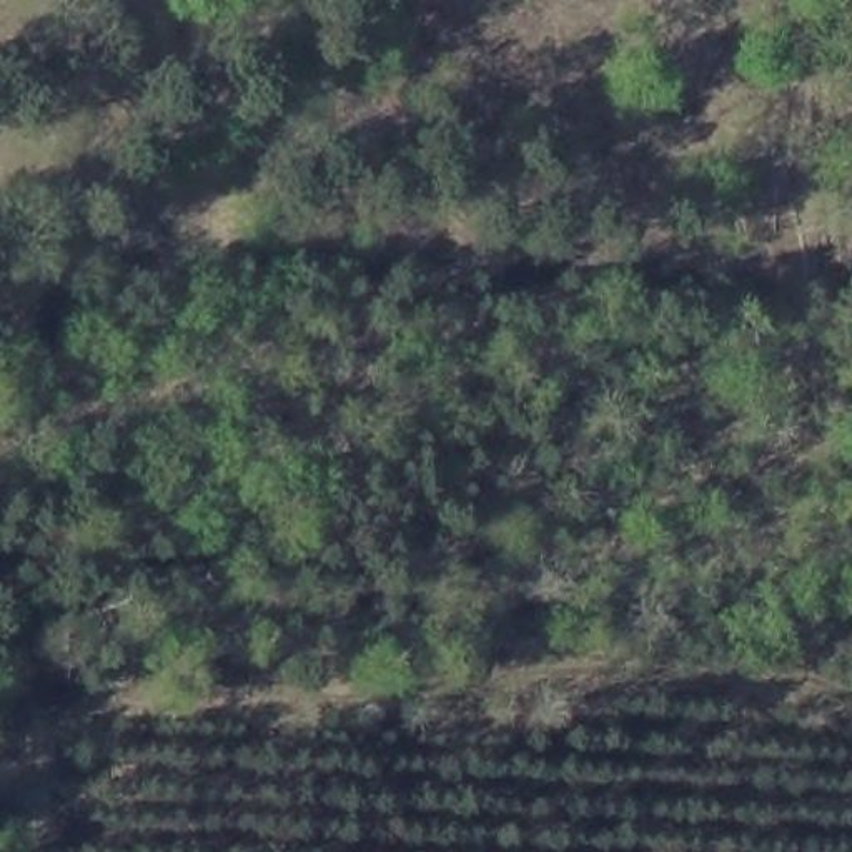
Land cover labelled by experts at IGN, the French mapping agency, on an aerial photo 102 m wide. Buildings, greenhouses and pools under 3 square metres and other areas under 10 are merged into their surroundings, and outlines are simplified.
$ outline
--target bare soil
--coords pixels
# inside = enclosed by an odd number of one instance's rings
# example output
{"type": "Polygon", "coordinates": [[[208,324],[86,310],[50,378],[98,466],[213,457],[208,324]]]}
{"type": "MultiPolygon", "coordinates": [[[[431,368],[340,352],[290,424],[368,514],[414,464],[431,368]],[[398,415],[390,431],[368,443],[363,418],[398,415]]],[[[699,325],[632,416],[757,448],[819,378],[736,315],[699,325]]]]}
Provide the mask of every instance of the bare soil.
{"type": "Polygon", "coordinates": [[[100,822],[93,819],[93,799],[90,782],[83,779],[77,762],[77,746],[83,742],[77,736],[80,716],[90,712],[100,719],[113,706],[126,716],[150,712],[140,702],[140,679],[107,679],[100,692],[90,692],[77,666],[53,662],[33,682],[17,679],[13,689],[0,689],[0,809],[13,822],[30,822],[40,832],[30,852],[83,852],[83,845],[97,845],[103,839],[107,825],[100,822]]]}
{"type": "Polygon", "coordinates": [[[276,686],[263,689],[220,689],[213,682],[213,702],[200,709],[210,722],[243,722],[246,729],[256,746],[266,746],[266,736],[276,722],[300,729],[320,722],[323,702],[343,706],[343,719],[366,722],[386,742],[396,742],[413,729],[413,722],[426,719],[436,719],[439,726],[456,726],[459,719],[489,716],[496,722],[529,726],[542,692],[559,692],[569,706],[576,699],[586,699],[599,712],[606,712],[602,699],[616,699],[666,692],[669,699],[736,702],[775,706],[782,722],[795,722],[805,729],[822,729],[835,716],[852,716],[852,692],[835,692],[822,676],[822,666],[775,666],[762,679],[749,679],[742,672],[679,676],[676,669],[659,662],[646,669],[609,669],[602,662],[602,649],[596,642],[586,642],[576,642],[579,656],[569,659],[542,656],[533,666],[496,666],[493,679],[469,686],[453,689],[439,669],[416,676],[413,689],[399,696],[369,699],[359,699],[349,679],[310,692],[300,686],[286,686],[280,679],[276,686]]]}

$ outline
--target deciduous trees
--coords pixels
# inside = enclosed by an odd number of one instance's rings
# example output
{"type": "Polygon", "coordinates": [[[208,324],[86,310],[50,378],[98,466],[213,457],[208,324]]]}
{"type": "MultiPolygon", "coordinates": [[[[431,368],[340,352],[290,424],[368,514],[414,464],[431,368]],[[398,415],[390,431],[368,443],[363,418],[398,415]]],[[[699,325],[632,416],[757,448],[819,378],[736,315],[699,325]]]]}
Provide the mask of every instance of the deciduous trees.
{"type": "Polygon", "coordinates": [[[752,37],[755,30],[775,33],[779,27],[772,10],[785,7],[789,0],[746,0],[742,37],[752,37]]]}
{"type": "Polygon", "coordinates": [[[413,689],[416,676],[396,642],[366,646],[363,649],[349,669],[349,679],[359,699],[369,699],[399,696],[413,689]]]}
{"type": "Polygon", "coordinates": [[[263,666],[280,642],[280,629],[263,616],[263,606],[290,606],[290,589],[280,589],[266,579],[266,566],[253,549],[240,549],[226,566],[230,592],[223,596],[223,606],[240,606],[243,616],[253,622],[250,656],[256,666],[263,666]]]}
{"type": "Polygon", "coordinates": [[[213,240],[226,246],[233,240],[243,240],[236,233],[236,203],[230,196],[220,196],[206,206],[213,240]]]}
{"type": "Polygon", "coordinates": [[[10,176],[7,183],[0,183],[0,270],[13,273],[17,283],[47,276],[73,293],[73,283],[87,263],[63,250],[67,236],[83,233],[90,226],[90,190],[70,166],[47,166],[40,186],[17,186],[10,176]]]}
{"type": "Polygon", "coordinates": [[[706,107],[716,133],[689,146],[692,156],[726,150],[739,153],[749,143],[772,90],[755,87],[736,70],[706,107]]]}
{"type": "Polygon", "coordinates": [[[852,90],[852,73],[839,67],[809,77],[815,90],[812,100],[819,103],[839,107],[842,97],[852,90]]]}
{"type": "Polygon", "coordinates": [[[596,642],[602,649],[602,662],[609,669],[646,669],[642,659],[629,649],[622,632],[609,626],[592,622],[586,642],[596,642]]]}
{"type": "Polygon", "coordinates": [[[190,629],[176,639],[166,622],[173,612],[186,606],[186,599],[176,589],[156,596],[153,586],[133,589],[126,582],[123,592],[113,599],[113,609],[120,616],[110,642],[123,649],[130,646],[130,639],[143,642],[146,669],[140,679],[140,702],[150,712],[156,719],[180,719],[200,709],[213,702],[213,682],[213,632],[190,629]]]}
{"type": "Polygon", "coordinates": [[[107,509],[103,503],[83,523],[67,526],[70,542],[77,542],[80,549],[100,549],[116,546],[123,536],[120,513],[107,509]]]}
{"type": "Polygon", "coordinates": [[[50,459],[63,433],[47,419],[43,409],[30,403],[30,396],[43,386],[40,369],[50,363],[50,356],[27,333],[0,323],[0,456],[23,456],[37,469],[50,469],[50,459]]]}
{"type": "Polygon", "coordinates": [[[243,20],[263,0],[170,0],[170,10],[193,23],[223,23],[230,13],[243,20]]]}
{"type": "Polygon", "coordinates": [[[429,649],[436,652],[439,669],[453,689],[469,686],[469,659],[463,652],[463,642],[446,639],[446,622],[453,616],[469,619],[473,626],[486,619],[486,592],[476,589],[479,572],[469,562],[449,562],[449,572],[436,579],[436,589],[426,599],[429,616],[423,632],[429,649]]]}
{"type": "Polygon", "coordinates": [[[669,57],[659,53],[662,17],[652,10],[652,0],[616,0],[616,53],[606,60],[606,87],[609,97],[629,110],[676,110],[686,90],[682,73],[672,67],[669,57]]]}
{"type": "Polygon", "coordinates": [[[529,509],[513,509],[506,519],[496,523],[493,542],[499,542],[519,562],[526,562],[536,552],[536,516],[529,509]]]}
{"type": "Polygon", "coordinates": [[[736,226],[722,223],[709,246],[742,253],[752,233],[749,220],[742,216],[736,226]]]}
{"type": "Polygon", "coordinates": [[[829,243],[839,263],[852,260],[852,183],[815,176],[815,186],[789,230],[795,233],[795,243],[802,250],[829,243]]]}
{"type": "Polygon", "coordinates": [[[542,692],[529,726],[562,726],[569,719],[569,706],[559,692],[542,692]]]}
{"type": "Polygon", "coordinates": [[[77,646],[70,642],[70,632],[57,626],[50,626],[47,652],[53,662],[77,666],[77,646]]]}

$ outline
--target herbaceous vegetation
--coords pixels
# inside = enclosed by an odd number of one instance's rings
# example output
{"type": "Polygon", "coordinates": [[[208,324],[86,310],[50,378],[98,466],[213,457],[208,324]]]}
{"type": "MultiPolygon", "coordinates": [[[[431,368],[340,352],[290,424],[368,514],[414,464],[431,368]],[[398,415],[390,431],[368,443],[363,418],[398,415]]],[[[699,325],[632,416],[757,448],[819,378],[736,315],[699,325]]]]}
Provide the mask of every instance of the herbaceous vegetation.
{"type": "Polygon", "coordinates": [[[196,386],[163,383],[150,369],[136,373],[126,383],[123,396],[113,403],[97,396],[60,409],[43,386],[30,396],[30,403],[43,409],[47,419],[63,433],[80,423],[103,423],[107,429],[113,429],[113,469],[116,476],[130,476],[130,463],[136,459],[136,433],[160,423],[160,409],[153,403],[180,399],[196,423],[206,426],[216,419],[216,406],[196,393],[196,386]]]}
{"type": "Polygon", "coordinates": [[[0,0],[0,43],[20,37],[27,20],[57,13],[57,0],[0,0]]]}
{"type": "Polygon", "coordinates": [[[47,276],[17,283],[13,273],[0,270],[0,323],[27,333],[50,356],[67,343],[67,326],[77,316],[73,293],[47,276]]]}
{"type": "Polygon", "coordinates": [[[403,13],[389,27],[359,23],[356,40],[366,50],[403,50],[406,67],[419,80],[436,70],[443,53],[459,57],[466,87],[459,90],[456,103],[459,113],[476,126],[476,150],[466,160],[466,186],[479,196],[506,193],[513,220],[529,223],[536,230],[546,206],[572,203],[576,213],[589,216],[599,203],[616,203],[622,220],[629,220],[632,226],[646,226],[659,220],[666,210],[672,210],[672,203],[692,203],[702,213],[699,240],[689,246],[676,243],[646,250],[636,263],[636,276],[642,280],[642,286],[659,293],[679,293],[682,286],[702,286],[709,276],[729,273],[732,280],[746,280],[746,286],[755,293],[755,300],[769,310],[772,320],[789,323],[799,323],[809,313],[812,286],[842,293],[852,283],[852,260],[839,263],[829,243],[802,250],[795,243],[795,233],[789,230],[815,186],[815,176],[809,166],[789,163],[785,150],[749,143],[739,153],[739,186],[719,190],[709,176],[679,173],[679,150],[689,146],[716,133],[706,107],[736,70],[736,50],[742,37],[746,0],[652,0],[652,10],[662,17],[659,53],[669,57],[672,67],[682,73],[686,90],[676,110],[629,110],[609,97],[606,87],[606,60],[616,53],[616,0],[403,0],[403,13]],[[523,146],[536,136],[549,136],[552,153],[569,170],[566,186],[546,186],[539,173],[526,166],[523,146]],[[736,226],[742,216],[749,220],[752,233],[742,253],[709,246],[722,223],[736,226]]]}
{"type": "Polygon", "coordinates": [[[50,469],[37,469],[23,456],[0,456],[0,519],[17,493],[40,506],[47,503],[47,496],[70,496],[67,479],[50,469]]]}
{"type": "Polygon", "coordinates": [[[290,439],[316,439],[329,446],[333,436],[343,429],[343,403],[379,403],[379,386],[369,376],[363,379],[346,369],[343,379],[323,386],[326,396],[320,413],[310,413],[310,406],[296,399],[276,376],[286,363],[280,323],[290,316],[290,310],[270,306],[253,333],[253,346],[243,356],[236,383],[250,393],[250,406],[276,419],[290,439]]]}
{"type": "Polygon", "coordinates": [[[210,110],[230,126],[230,120],[236,116],[240,93],[223,60],[206,53],[190,67],[196,83],[193,100],[200,113],[210,110]]]}
{"type": "Polygon", "coordinates": [[[173,193],[166,193],[153,176],[133,180],[113,166],[113,146],[130,133],[133,120],[146,126],[153,146],[176,126],[146,110],[143,100],[116,103],[110,110],[80,110],[53,126],[40,120],[33,130],[23,130],[20,123],[0,126],[0,183],[7,183],[10,176],[17,186],[40,186],[47,166],[70,166],[90,190],[107,186],[120,193],[130,213],[123,233],[100,236],[90,226],[83,233],[67,236],[63,250],[87,263],[93,256],[103,256],[110,263],[123,260],[136,270],[160,273],[163,266],[173,266],[186,250],[203,253],[213,240],[206,206],[220,196],[230,196],[256,183],[263,156],[283,143],[293,153],[320,156],[300,130],[320,123],[336,133],[349,133],[353,150],[366,136],[379,136],[399,153],[419,136],[419,113],[396,103],[396,80],[386,80],[383,97],[369,97],[366,73],[356,63],[333,67],[323,60],[320,23],[313,13],[280,20],[270,37],[260,40],[260,47],[270,43],[283,53],[283,70],[273,83],[283,93],[283,107],[253,130],[250,146],[240,150],[240,156],[220,176],[190,176],[173,193]]]}
{"type": "Polygon", "coordinates": [[[17,626],[10,639],[17,679],[33,682],[53,662],[47,652],[50,626],[37,609],[17,626]]]}
{"type": "Polygon", "coordinates": [[[569,246],[566,256],[539,260],[509,246],[473,250],[469,243],[453,240],[449,233],[436,233],[419,216],[399,216],[393,233],[373,246],[359,246],[339,236],[286,240],[276,233],[243,240],[233,240],[226,246],[223,273],[230,266],[240,266],[243,260],[256,260],[270,270],[276,260],[310,260],[320,270],[329,270],[336,260],[349,260],[366,273],[366,280],[386,283],[393,266],[409,263],[419,273],[446,280],[466,273],[489,273],[499,296],[533,296],[542,310],[546,303],[556,303],[556,290],[562,286],[566,273],[596,280],[609,273],[606,253],[596,246],[596,240],[569,246]]]}

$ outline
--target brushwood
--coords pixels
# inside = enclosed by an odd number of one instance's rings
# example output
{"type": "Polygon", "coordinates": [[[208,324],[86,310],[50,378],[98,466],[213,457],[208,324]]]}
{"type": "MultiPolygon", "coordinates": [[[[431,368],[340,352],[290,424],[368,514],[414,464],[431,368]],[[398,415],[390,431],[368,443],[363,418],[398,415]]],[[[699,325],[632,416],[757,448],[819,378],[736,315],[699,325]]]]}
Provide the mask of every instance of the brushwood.
{"type": "Polygon", "coordinates": [[[107,825],[103,839],[97,845],[83,845],[83,852],[649,852],[639,845],[539,845],[539,832],[546,829],[619,829],[616,815],[579,815],[572,809],[576,799],[639,802],[639,832],[702,835],[702,849],[682,852],[719,852],[719,842],[729,835],[792,839],[795,852],[852,852],[852,825],[752,822],[739,819],[739,805],[752,802],[852,809],[852,792],[792,792],[782,785],[755,785],[755,772],[789,769],[852,775],[852,716],[835,716],[822,729],[805,729],[795,722],[782,722],[775,706],[736,702],[729,719],[689,719],[619,712],[616,699],[602,699],[606,712],[599,712],[586,699],[576,699],[569,706],[569,719],[562,726],[529,726],[496,722],[489,716],[459,719],[456,726],[439,726],[436,719],[426,719],[413,722],[413,729],[396,742],[386,742],[366,722],[343,719],[346,739],[326,739],[320,722],[300,729],[276,722],[266,736],[266,746],[280,749],[280,769],[256,772],[240,765],[240,752],[256,746],[246,729],[236,736],[163,732],[156,719],[150,712],[126,716],[113,706],[100,719],[90,712],[80,716],[77,736],[83,742],[77,746],[77,762],[83,779],[90,782],[110,779],[123,785],[160,779],[193,785],[193,799],[93,799],[93,819],[100,822],[107,812],[186,812],[190,829],[107,825]],[[626,739],[619,749],[582,749],[569,742],[569,736],[579,729],[619,729],[626,739]],[[709,742],[716,739],[842,746],[849,752],[842,762],[775,755],[739,759],[712,755],[709,742]],[[133,769],[123,759],[113,765],[113,749],[133,746],[193,749],[193,765],[186,769],[146,762],[133,769]],[[359,775],[349,769],[300,769],[296,752],[359,752],[376,762],[376,772],[359,775]],[[523,755],[536,762],[612,765],[612,779],[546,782],[526,775],[476,772],[443,775],[443,759],[466,752],[493,759],[523,755]],[[736,782],[632,782],[632,765],[732,769],[736,782]],[[313,785],[313,802],[266,802],[266,785],[313,785]],[[359,805],[343,809],[333,805],[333,789],[356,789],[376,795],[423,789],[473,789],[519,799],[519,812],[449,812],[423,805],[393,805],[383,812],[359,805]],[[719,819],[656,815],[659,802],[686,799],[719,802],[719,819]],[[243,815],[313,819],[313,832],[260,835],[243,829],[243,815]],[[483,825],[486,839],[379,839],[379,825],[399,819],[459,829],[483,825]]]}
{"type": "Polygon", "coordinates": [[[479,572],[476,589],[486,592],[486,619],[486,626],[493,629],[489,666],[496,666],[533,666],[542,656],[569,659],[579,656],[576,642],[556,646],[549,639],[549,619],[556,612],[566,616],[572,602],[539,599],[542,572],[572,582],[602,579],[612,589],[609,626],[622,632],[629,649],[642,659],[646,652],[656,652],[656,639],[662,636],[662,629],[649,629],[649,622],[639,616],[639,586],[649,576],[649,566],[639,556],[639,546],[632,546],[622,533],[622,489],[606,479],[592,483],[586,476],[586,456],[602,453],[602,443],[582,429],[582,419],[596,413],[599,396],[609,389],[612,376],[592,373],[586,366],[552,409],[559,466],[546,469],[546,486],[493,486],[479,493],[479,503],[473,509],[483,519],[496,523],[506,519],[513,509],[529,509],[536,516],[536,552],[526,562],[519,562],[499,542],[493,542],[473,533],[453,533],[446,542],[436,542],[436,529],[443,526],[439,513],[433,506],[413,513],[406,533],[409,569],[436,579],[449,572],[449,562],[469,562],[479,572]],[[586,519],[562,513],[556,499],[562,479],[572,479],[586,503],[596,506],[586,519]],[[592,549],[582,552],[576,566],[562,566],[556,542],[559,529],[569,529],[579,539],[589,539],[592,529],[602,529],[612,556],[592,549]]]}
{"type": "Polygon", "coordinates": [[[97,569],[107,572],[110,582],[107,592],[93,599],[97,616],[100,622],[113,622],[120,616],[113,609],[113,599],[123,592],[126,582],[133,589],[153,586],[156,596],[176,589],[186,599],[186,606],[173,612],[166,622],[176,639],[190,629],[213,632],[213,682],[220,689],[263,689],[276,686],[280,679],[296,656],[316,646],[320,629],[306,622],[300,636],[280,642],[263,666],[256,666],[250,656],[253,622],[243,616],[240,606],[223,606],[223,596],[230,592],[226,566],[240,549],[253,513],[250,506],[243,506],[226,523],[226,542],[213,552],[160,556],[153,549],[153,539],[166,536],[170,526],[180,523],[180,516],[203,496],[206,476],[213,473],[210,453],[190,459],[190,479],[170,496],[163,509],[150,503],[143,483],[130,476],[116,476],[113,469],[97,479],[103,503],[107,509],[120,513],[123,536],[116,546],[100,549],[97,569]]]}
{"type": "Polygon", "coordinates": [[[406,616],[396,626],[396,642],[416,676],[439,669],[436,652],[429,649],[423,632],[429,616],[426,599],[409,599],[406,616]]]}
{"type": "Polygon", "coordinates": [[[123,662],[113,666],[107,679],[140,679],[146,669],[143,642],[130,639],[130,646],[123,649],[123,662]]]}
{"type": "Polygon", "coordinates": [[[712,536],[689,523],[669,539],[676,546],[676,559],[712,559],[712,536]]]}
{"type": "Polygon", "coordinates": [[[366,646],[366,629],[383,609],[383,592],[366,589],[363,596],[356,596],[336,632],[356,639],[363,649],[366,646]]]}
{"type": "Polygon", "coordinates": [[[669,386],[679,396],[699,403],[709,389],[702,379],[702,346],[696,343],[682,353],[669,353],[666,359],[659,359],[659,366],[676,369],[676,383],[669,386]]]}
{"type": "Polygon", "coordinates": [[[57,626],[63,606],[57,599],[40,602],[20,569],[0,582],[0,586],[13,592],[17,626],[37,609],[50,626],[57,626]]]}
{"type": "Polygon", "coordinates": [[[669,473],[696,476],[706,489],[726,493],[729,509],[742,513],[752,526],[772,526],[782,513],[759,489],[762,479],[769,473],[779,473],[792,493],[805,496],[812,469],[802,463],[805,449],[819,446],[829,433],[829,419],[852,406],[852,366],[835,373],[829,366],[829,356],[835,349],[812,336],[805,343],[792,343],[785,349],[789,379],[799,389],[792,433],[779,439],[769,436],[769,443],[755,453],[752,466],[742,476],[732,476],[719,469],[712,446],[726,443],[736,433],[739,413],[732,406],[726,406],[712,419],[702,413],[689,413],[679,423],[682,439],[676,446],[669,473]]]}

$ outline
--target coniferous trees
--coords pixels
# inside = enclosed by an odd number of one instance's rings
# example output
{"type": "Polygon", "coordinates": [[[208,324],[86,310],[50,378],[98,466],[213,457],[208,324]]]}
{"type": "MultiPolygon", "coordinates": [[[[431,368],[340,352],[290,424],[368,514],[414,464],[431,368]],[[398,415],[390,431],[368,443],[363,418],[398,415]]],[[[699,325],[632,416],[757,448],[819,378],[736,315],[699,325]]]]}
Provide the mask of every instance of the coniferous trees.
{"type": "Polygon", "coordinates": [[[280,749],[266,746],[256,746],[240,752],[240,765],[256,772],[280,769],[280,749]]]}
{"type": "Polygon", "coordinates": [[[17,626],[13,592],[0,586],[0,689],[13,689],[17,679],[10,639],[17,626]]]}
{"type": "Polygon", "coordinates": [[[133,746],[113,749],[113,765],[123,759],[133,769],[146,762],[186,769],[193,765],[193,749],[133,746]]]}
{"type": "Polygon", "coordinates": [[[719,802],[686,799],[659,802],[656,815],[719,819],[719,802]]]}
{"type": "Polygon", "coordinates": [[[539,599],[572,602],[566,616],[556,612],[549,619],[549,639],[556,646],[576,642],[586,642],[592,622],[609,626],[612,589],[602,579],[572,582],[542,572],[539,599]]]}
{"type": "Polygon", "coordinates": [[[180,719],[156,719],[163,732],[236,736],[246,729],[243,722],[210,722],[200,709],[180,719]]]}
{"type": "Polygon", "coordinates": [[[120,616],[113,622],[100,622],[97,616],[93,599],[107,592],[110,582],[107,572],[97,569],[100,549],[80,549],[77,542],[70,542],[67,526],[83,523],[103,503],[97,479],[113,469],[113,429],[107,429],[103,423],[80,423],[63,433],[50,459],[50,469],[67,479],[70,496],[47,496],[47,503],[40,506],[17,493],[0,519],[0,582],[20,569],[40,602],[57,599],[63,606],[57,626],[70,632],[70,642],[77,646],[77,666],[90,692],[100,692],[107,679],[113,666],[123,662],[123,649],[110,642],[120,616]]]}
{"type": "Polygon", "coordinates": [[[160,779],[123,785],[110,779],[90,782],[93,799],[193,799],[193,785],[160,779]]]}
{"type": "Polygon", "coordinates": [[[789,769],[755,772],[755,785],[782,785],[792,792],[852,792],[852,775],[789,769]]]}
{"type": "Polygon", "coordinates": [[[473,789],[423,789],[376,795],[356,789],[333,789],[333,805],[343,809],[359,805],[383,812],[393,805],[423,805],[449,812],[519,812],[519,799],[473,789]]]}
{"type": "Polygon", "coordinates": [[[266,802],[313,802],[313,785],[266,785],[266,802]]]}
{"type": "Polygon", "coordinates": [[[123,233],[130,213],[120,193],[107,186],[90,190],[90,226],[100,236],[123,233]]]}
{"type": "Polygon", "coordinates": [[[626,739],[619,729],[579,729],[569,736],[569,742],[582,749],[619,749],[626,739]]]}
{"type": "Polygon", "coordinates": [[[546,829],[539,832],[539,845],[639,845],[649,852],[682,852],[702,849],[702,835],[639,832],[639,802],[576,799],[572,809],[579,815],[616,815],[619,829],[546,829]]]}
{"type": "Polygon", "coordinates": [[[376,772],[376,762],[359,752],[296,752],[300,769],[349,769],[359,775],[376,772]]]}
{"type": "Polygon", "coordinates": [[[343,706],[323,702],[320,722],[326,739],[346,739],[343,719],[343,706]]]}
{"type": "Polygon", "coordinates": [[[729,719],[736,702],[669,699],[666,692],[616,699],[619,712],[689,719],[729,719]]]}
{"type": "Polygon", "coordinates": [[[716,739],[709,742],[712,755],[739,759],[775,755],[842,762],[849,752],[842,746],[716,739]]]}
{"type": "Polygon", "coordinates": [[[526,166],[539,173],[546,186],[566,186],[569,170],[552,153],[549,136],[536,136],[523,146],[526,166]]]}
{"type": "Polygon", "coordinates": [[[556,499],[562,513],[586,519],[596,506],[586,503],[572,479],[562,479],[556,499]]]}
{"type": "Polygon", "coordinates": [[[100,822],[107,825],[190,829],[186,812],[107,812],[100,822]]]}
{"type": "Polygon", "coordinates": [[[243,815],[243,829],[260,835],[313,832],[313,819],[243,815]]]}
{"type": "Polygon", "coordinates": [[[33,130],[40,120],[53,126],[80,110],[110,110],[116,103],[143,100],[146,110],[176,126],[153,146],[146,126],[133,120],[130,133],[113,146],[113,166],[133,180],[153,176],[166,193],[173,193],[190,176],[220,176],[240,156],[240,150],[250,146],[253,130],[283,107],[283,93],[273,83],[283,70],[283,53],[270,43],[260,47],[260,40],[270,37],[280,20],[313,13],[320,23],[323,60],[333,67],[356,63],[366,73],[369,97],[383,97],[386,80],[396,80],[396,103],[419,113],[419,136],[399,153],[379,136],[366,136],[353,150],[349,133],[336,133],[320,123],[300,130],[320,156],[293,153],[283,143],[263,156],[256,183],[230,196],[236,203],[236,233],[243,240],[276,233],[286,240],[339,236],[359,246],[373,246],[393,233],[399,216],[419,216],[436,233],[449,233],[453,240],[469,243],[473,250],[509,246],[539,260],[566,256],[569,246],[596,240],[596,246],[606,253],[609,273],[596,280],[566,273],[562,286],[556,290],[556,303],[546,303],[542,310],[533,296],[499,296],[489,273],[466,273],[446,280],[419,273],[409,263],[393,266],[386,283],[366,280],[366,273],[349,260],[336,260],[329,270],[320,270],[310,260],[276,260],[270,270],[256,260],[243,260],[240,266],[230,266],[223,273],[226,246],[213,240],[203,253],[186,250],[173,266],[163,266],[160,273],[136,270],[123,260],[110,263],[103,256],[93,256],[87,263],[73,283],[73,293],[77,316],[67,326],[67,343],[50,356],[50,363],[40,369],[43,386],[60,409],[97,396],[113,403],[123,396],[126,383],[136,373],[150,369],[163,383],[196,386],[196,393],[216,406],[216,419],[206,426],[196,423],[180,399],[153,403],[160,409],[160,423],[136,433],[136,459],[130,463],[130,476],[143,483],[150,503],[163,509],[170,496],[190,479],[190,459],[210,453],[213,473],[206,476],[203,496],[180,516],[180,523],[170,526],[166,536],[153,539],[153,549],[160,556],[213,552],[226,542],[226,523],[243,506],[250,506],[253,513],[240,549],[253,549],[266,566],[266,579],[280,589],[290,589],[290,606],[263,606],[263,616],[280,629],[280,642],[300,636],[306,622],[320,629],[316,646],[296,656],[280,679],[286,686],[300,686],[310,692],[349,679],[349,669],[363,649],[356,639],[336,632],[356,596],[363,596],[366,589],[383,592],[383,609],[366,629],[366,646],[396,642],[396,626],[406,616],[409,599],[426,599],[436,589],[436,579],[409,569],[406,533],[413,513],[433,506],[439,513],[443,526],[436,529],[436,542],[446,542],[453,533],[473,533],[493,542],[496,523],[483,519],[473,509],[479,503],[479,493],[493,486],[546,486],[546,469],[559,466],[552,409],[586,366],[592,373],[612,376],[609,389],[599,396],[596,413],[582,419],[582,429],[602,443],[602,453],[586,456],[586,476],[592,483],[606,479],[622,489],[622,533],[632,546],[639,546],[639,556],[649,566],[649,576],[639,586],[639,616],[649,622],[649,629],[662,629],[662,636],[656,639],[656,652],[646,652],[642,659],[646,669],[659,662],[676,669],[679,676],[742,672],[749,679],[762,679],[775,666],[822,666],[822,676],[835,692],[852,692],[852,406],[829,419],[829,433],[819,446],[805,449],[802,463],[812,469],[805,496],[792,493],[779,473],[769,473],[762,479],[759,489],[782,513],[772,526],[752,526],[742,513],[729,509],[726,493],[706,489],[696,476],[669,473],[676,446],[682,439],[679,423],[689,413],[702,413],[712,419],[726,406],[732,406],[739,413],[736,433],[726,443],[712,446],[719,469],[732,476],[742,476],[752,466],[755,453],[769,443],[769,436],[779,439],[792,433],[799,389],[789,379],[785,349],[792,343],[805,343],[812,336],[835,349],[829,356],[829,366],[835,373],[852,366],[852,283],[842,293],[812,286],[809,313],[799,323],[789,323],[772,320],[769,310],[755,300],[755,293],[746,286],[746,280],[732,280],[729,273],[709,276],[702,286],[682,286],[679,293],[659,293],[642,286],[642,280],[636,276],[636,263],[646,250],[676,243],[689,246],[699,240],[702,213],[692,203],[672,203],[672,210],[666,210],[659,220],[646,226],[632,226],[629,220],[622,220],[616,203],[599,203],[589,216],[576,213],[572,203],[546,206],[536,230],[529,223],[513,220],[506,193],[479,196],[466,186],[466,160],[476,150],[476,126],[459,113],[456,103],[459,90],[466,87],[459,57],[443,53],[436,70],[419,80],[406,67],[403,50],[366,50],[356,40],[359,23],[389,27],[403,13],[403,0],[263,0],[243,20],[230,13],[223,23],[193,23],[170,10],[170,0],[57,0],[57,13],[27,20],[20,37],[0,43],[0,126],[20,123],[23,130],[33,130]],[[230,120],[230,126],[210,110],[200,113],[193,100],[196,83],[190,67],[206,53],[223,60],[240,93],[236,116],[230,120]],[[346,369],[363,379],[369,376],[379,386],[379,403],[343,403],[343,429],[333,436],[329,446],[316,439],[290,439],[276,419],[250,406],[250,393],[236,383],[243,356],[253,346],[253,333],[270,306],[290,310],[290,316],[280,323],[286,363],[276,376],[296,399],[310,406],[310,413],[320,413],[326,396],[323,386],[343,379],[346,369]],[[666,359],[669,353],[682,353],[696,343],[702,346],[702,379],[709,389],[699,403],[679,396],[669,386],[676,383],[676,369],[659,366],[659,359],[666,359]],[[676,559],[676,546],[669,539],[689,523],[712,536],[712,559],[676,559]]]}
{"type": "Polygon", "coordinates": [[[739,805],[739,819],[752,822],[852,825],[852,809],[752,802],[739,805]]]}
{"type": "Polygon", "coordinates": [[[632,782],[736,782],[732,769],[632,765],[632,782]]]}
{"type": "Polygon", "coordinates": [[[612,556],[602,529],[592,529],[589,539],[579,539],[569,529],[559,529],[556,542],[562,566],[576,566],[582,552],[592,549],[612,556]]]}
{"type": "Polygon", "coordinates": [[[692,156],[689,146],[679,150],[679,173],[709,176],[719,190],[739,186],[739,153],[726,150],[692,156]]]}
{"type": "Polygon", "coordinates": [[[496,666],[489,666],[493,629],[486,626],[486,619],[473,626],[469,619],[453,616],[446,622],[446,639],[463,642],[463,652],[469,659],[469,686],[493,679],[496,666]]]}
{"type": "Polygon", "coordinates": [[[792,839],[729,835],[719,842],[719,852],[795,852],[792,839]]]}
{"type": "Polygon", "coordinates": [[[13,822],[0,809],[0,852],[30,852],[40,832],[30,822],[13,822]]]}
{"type": "Polygon", "coordinates": [[[476,772],[526,775],[546,782],[612,779],[612,765],[536,762],[523,755],[493,759],[466,752],[443,759],[443,775],[476,772]]]}
{"type": "Polygon", "coordinates": [[[772,10],[779,27],[775,33],[755,30],[752,37],[742,37],[736,50],[736,70],[755,87],[772,90],[749,143],[785,150],[789,163],[809,166],[815,176],[852,183],[852,90],[842,97],[839,107],[819,103],[812,100],[815,90],[809,77],[839,67],[852,73],[852,0],[789,0],[785,7],[772,10]]]}
{"type": "Polygon", "coordinates": [[[486,839],[483,825],[459,829],[399,819],[379,825],[379,839],[486,839]]]}

